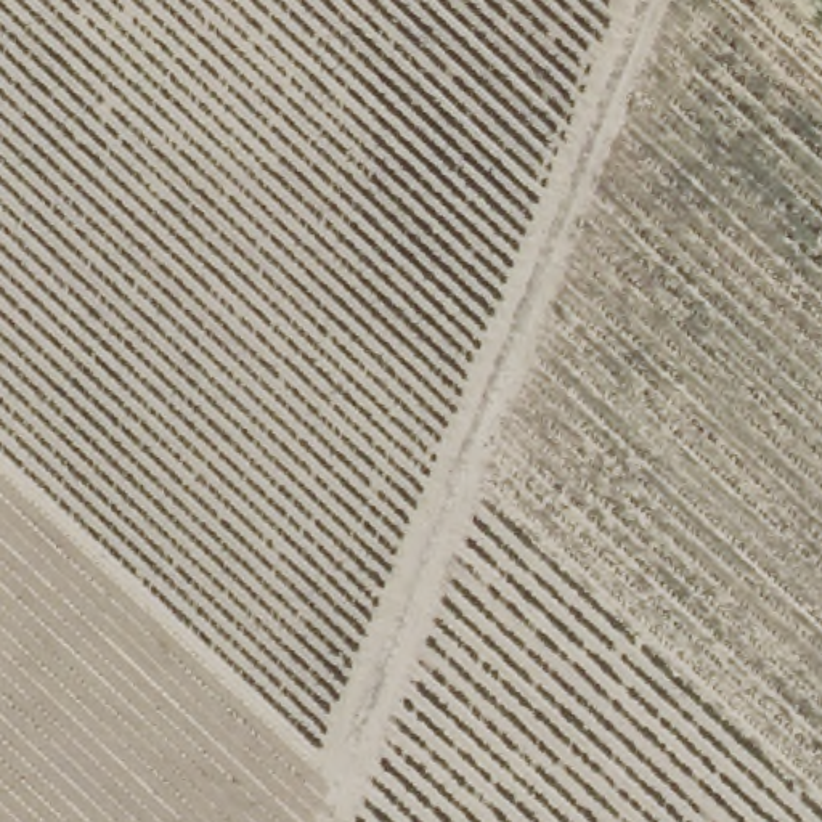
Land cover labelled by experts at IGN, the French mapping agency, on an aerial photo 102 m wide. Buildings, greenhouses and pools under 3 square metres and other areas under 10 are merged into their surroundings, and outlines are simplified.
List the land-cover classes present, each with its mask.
<instances>
[{"label":"vineyard","instance_id":"1","mask_svg":"<svg viewBox=\"0 0 822 822\"><path fill-rule=\"evenodd\" d=\"M610 0H0V822H315L318 812L334 816L337 809L328 803V780L321 777V771L305 764V758L311 748H321L328 735V713L340 700L366 626L379 610L382 588L392 575V562L408 530V517L414 514L424 494L430 469L437 466V446L446 433V424L462 405V385L469 376L466 369L478 356L485 328L494 315V305L482 295V289L501 302V289L511 276L520 241L533 222V206L539 202V196L530 186L536 180L539 186H549L552 180V161L543 157V151L559 154L568 138L575 96L588 90V77L594 71L588 48L597 45L610 29ZM597 193L600 199L613 202V212H584L575 218V228H581L584 234L565 260V276L555 289L552 311L543 318L536 337V356L546 366L530 372V382H523L520 395L507 405L501 417V437L523 450L527 466L523 472H511L504 478L498 462H485V472L478 478V494L485 501L472 511L469 539L453 555L459 568H466L475 578L482 575L491 584V594L478 597L472 588L450 578L443 584V607L437 610L433 629L427 636V649L440 658L437 665L417 658V668L430 671L433 681L443 684V690H450L459 703L472 710V716H478L488 726V732L478 735L421 681L417 694L430 703V713H421V706L405 700V710H411V716H417L443 745L456 748V755L466 764H472L475 774L488 780V787L498 790V803L491 806L488 796H482L408 722L392 719L401 732L395 742V755H401L408 767L398 771L392 761L382 758L372 787L411 822H822V0H668L655 39V61L636 77V87L626 96V122L613 138L610 157L604 161V170L597 177Z\"/></svg>","mask_w":822,"mask_h":822},{"label":"plowed land","instance_id":"2","mask_svg":"<svg viewBox=\"0 0 822 822\"><path fill-rule=\"evenodd\" d=\"M668 0H610V29L597 45L588 48L594 71L588 77V90L575 96L568 138L559 154L543 151V157L552 161V180L549 186H539L536 180L530 186L539 196V202L533 206V222L520 241L511 276L501 289V302L482 289V295L494 305V315L485 328L478 356L466 369L469 376L462 385V405L446 424V433L437 446V466L430 469L424 494L414 514L408 517V530L392 562V575L382 588L379 610L366 626L340 700L328 713V735L321 748H311L305 758V764L321 771V777L328 780V803L337 809L334 816L318 812L315 822H411L372 787L382 758L392 761L398 771L408 767L401 755H395V742L401 732L392 719L408 722L482 796H488L491 806L498 803V790L488 787V780L475 774L472 764H466L456 755V748L443 745L417 716H411V710H405V700L421 706V713H430V703L417 694L421 681L478 735L488 732V726L478 716H472V710L459 703L450 690H443V684L433 681L430 671L417 668V658L437 665L440 658L427 649V636L433 629L437 610L443 607V584L450 578L472 588L478 597L491 594V584L482 575L475 578L466 568H459L453 555L469 539L472 511L485 501L478 494V478L485 472V462H498L504 478L511 472H523L527 466L523 450L501 437V417L507 405L520 395L523 382H530V372L546 366L536 356V337L543 318L552 311L555 289L565 276V260L584 234L581 228H575V218L584 212H613V202L600 199L597 193V177L604 170V161L610 157L613 138L626 122V96L636 87V77L655 61V39Z\"/></svg>","mask_w":822,"mask_h":822}]
</instances>
